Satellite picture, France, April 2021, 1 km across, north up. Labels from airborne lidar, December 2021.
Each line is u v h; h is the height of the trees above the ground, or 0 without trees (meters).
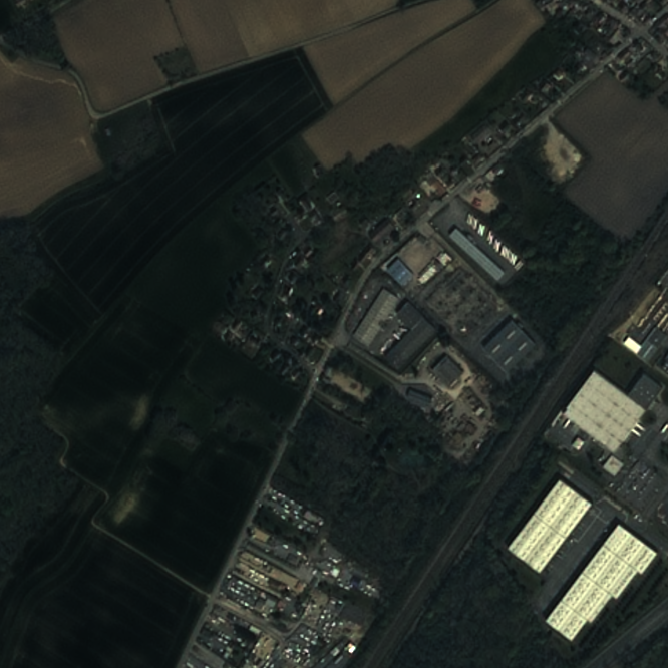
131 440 0
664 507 0
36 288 10
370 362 0
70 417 0
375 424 8
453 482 25
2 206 0
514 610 25
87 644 0
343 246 0
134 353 0
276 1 0
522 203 0
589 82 0
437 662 18
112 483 0
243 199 18
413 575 7
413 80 0
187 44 0
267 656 0
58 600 0
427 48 0
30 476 24
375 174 9
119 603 0
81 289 0
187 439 12
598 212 0
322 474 34
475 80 0
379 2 0
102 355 0
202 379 0
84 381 0
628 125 0
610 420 0
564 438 0
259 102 0
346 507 13
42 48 16
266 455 0
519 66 0
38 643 0
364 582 0
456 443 0
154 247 0
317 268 17
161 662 0
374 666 0
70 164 0
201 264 0
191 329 0
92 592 0
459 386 0
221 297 0
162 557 0
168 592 0
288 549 0
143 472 0
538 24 0
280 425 9
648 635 0
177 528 0
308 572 0
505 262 0
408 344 0
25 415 26
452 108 0
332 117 0
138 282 0
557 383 0
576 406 0
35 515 11
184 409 0
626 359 0
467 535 0
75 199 0
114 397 0
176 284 0
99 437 0
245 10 0
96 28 0
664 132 0
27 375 24
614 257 12
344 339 0
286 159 0
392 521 23
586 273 7
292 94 0
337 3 0
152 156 0
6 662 0
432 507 27
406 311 0
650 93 8
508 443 9
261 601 0
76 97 0
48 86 0
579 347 0
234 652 8
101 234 0
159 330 0
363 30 0
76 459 0
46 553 0
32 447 23
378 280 0
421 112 0
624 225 0
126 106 0
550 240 11
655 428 0
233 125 0
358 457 36
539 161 0
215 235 0
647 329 0
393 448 10
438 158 10
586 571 0
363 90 0
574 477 0
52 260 0
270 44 0
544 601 0
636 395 0
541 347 0
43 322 0
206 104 0
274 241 19
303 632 0
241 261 0
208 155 0
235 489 0
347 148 0
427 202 0
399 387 0
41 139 0
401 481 20
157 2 0
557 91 8
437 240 0
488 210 0
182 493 0
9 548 26
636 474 0
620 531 0
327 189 0
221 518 0
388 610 14
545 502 0
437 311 0
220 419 16
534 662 14
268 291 8
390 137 0
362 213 6
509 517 18
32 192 0
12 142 0
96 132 0
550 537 0
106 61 0
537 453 5
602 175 0
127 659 0
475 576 24
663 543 0
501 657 21
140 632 0
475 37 0
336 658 0
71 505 0
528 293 11
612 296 0
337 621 0
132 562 0
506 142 7
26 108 0
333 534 7
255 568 0
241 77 0
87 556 0
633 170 0
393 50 0
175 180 0
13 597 0
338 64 0
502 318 0
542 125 0
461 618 23
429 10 0
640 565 0
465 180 0
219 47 0
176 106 0
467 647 21
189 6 0
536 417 0
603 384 0
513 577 19
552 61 0
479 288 0
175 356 0
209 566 0
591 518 0
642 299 0
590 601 0
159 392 0
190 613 0
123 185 0
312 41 0
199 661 0
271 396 0
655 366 0
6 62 0
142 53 0
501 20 0
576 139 0
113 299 0
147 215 0
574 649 8
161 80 0
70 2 0
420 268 0
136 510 0
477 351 0
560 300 6
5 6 0
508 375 0
